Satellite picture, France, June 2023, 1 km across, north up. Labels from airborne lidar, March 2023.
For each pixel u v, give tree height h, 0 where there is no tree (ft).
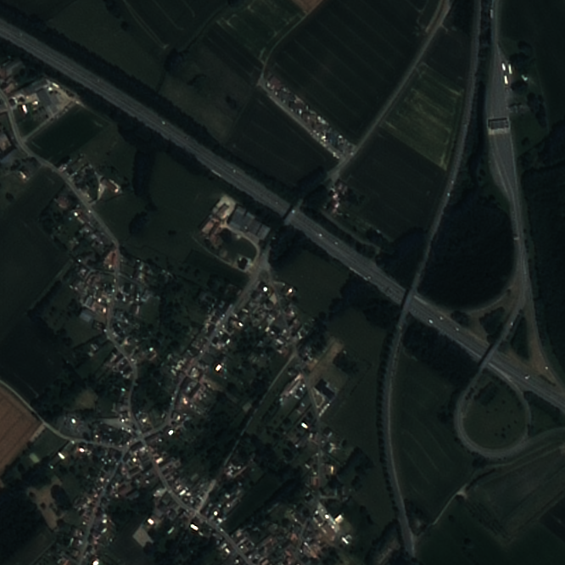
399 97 0
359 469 33
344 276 0
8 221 0
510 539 0
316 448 0
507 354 0
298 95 0
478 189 51
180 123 83
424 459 0
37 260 0
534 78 0
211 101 0
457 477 0
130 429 0
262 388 44
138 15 0
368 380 0
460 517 0
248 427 0
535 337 0
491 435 0
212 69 0
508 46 0
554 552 0
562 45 0
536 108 34
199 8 0
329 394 0
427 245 0
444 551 0
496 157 0
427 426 0
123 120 106
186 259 0
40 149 0
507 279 0
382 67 0
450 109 0
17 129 0
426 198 0
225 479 25
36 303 0
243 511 0
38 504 0
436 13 0
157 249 0
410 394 0
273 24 0
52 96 0
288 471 49
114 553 0
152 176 0
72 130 0
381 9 0
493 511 0
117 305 0
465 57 0
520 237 0
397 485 0
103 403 0
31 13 0
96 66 91
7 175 0
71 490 0
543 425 0
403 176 0
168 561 52
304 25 0
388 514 0
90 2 0
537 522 0
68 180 0
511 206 0
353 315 0
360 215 0
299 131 0
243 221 0
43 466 41
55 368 0
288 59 0
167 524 20
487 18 39
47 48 0
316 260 0
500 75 0
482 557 0
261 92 0
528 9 0
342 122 0
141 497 43
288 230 51
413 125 0
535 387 0
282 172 0
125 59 0
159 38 0
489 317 27
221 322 0
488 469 0
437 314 0
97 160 0
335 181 0
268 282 0
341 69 0
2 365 0
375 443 0
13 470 39
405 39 0
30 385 0
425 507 0
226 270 0
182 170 0
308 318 0
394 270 85
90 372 0
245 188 0
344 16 0
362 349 0
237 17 0
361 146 0
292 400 0
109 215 0
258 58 0
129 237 0
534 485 0
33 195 0
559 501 0
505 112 0
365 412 0
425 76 0
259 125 0
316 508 0
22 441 0
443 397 0
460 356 104
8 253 0
